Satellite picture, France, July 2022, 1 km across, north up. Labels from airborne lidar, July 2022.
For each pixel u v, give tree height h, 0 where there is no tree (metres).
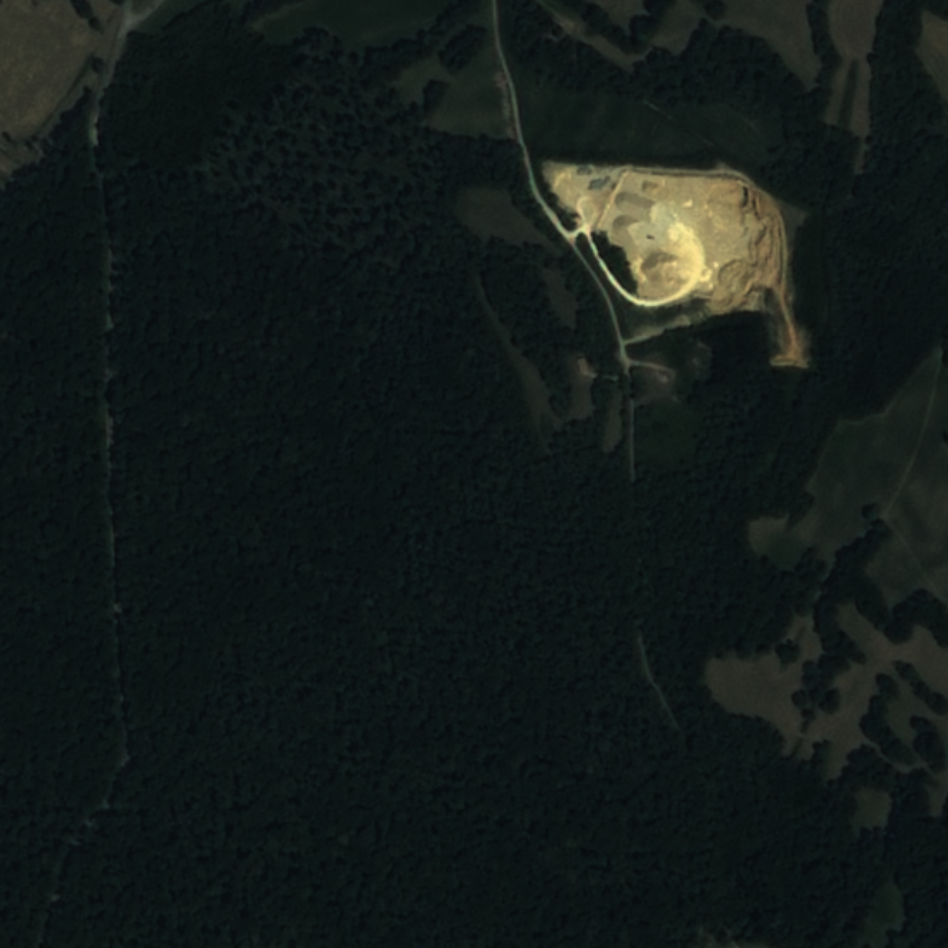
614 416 0
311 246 19
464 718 24
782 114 7
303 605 19
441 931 19
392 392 21
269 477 22
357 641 18
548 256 10
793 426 13
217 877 20
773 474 13
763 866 21
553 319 11
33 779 16
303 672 20
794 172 7
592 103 0
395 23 0
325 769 27
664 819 21
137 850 23
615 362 6
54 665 23
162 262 20
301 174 19
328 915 26
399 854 23
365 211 20
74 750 21
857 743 0
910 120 11
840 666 18
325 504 22
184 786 21
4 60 0
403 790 22
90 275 22
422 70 0
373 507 23
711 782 17
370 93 20
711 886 21
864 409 11
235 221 23
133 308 18
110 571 14
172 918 20
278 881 24
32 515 20
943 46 0
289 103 22
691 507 13
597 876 23
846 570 22
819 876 20
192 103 8
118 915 18
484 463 19
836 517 0
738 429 13
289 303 22
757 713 0
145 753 20
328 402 18
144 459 20
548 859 22
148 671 24
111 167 19
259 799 23
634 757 21
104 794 17
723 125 0
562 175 0
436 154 21
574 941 22
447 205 17
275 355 21
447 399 22
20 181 18
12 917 20
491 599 19
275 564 21
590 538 13
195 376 23
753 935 14
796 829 21
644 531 13
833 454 0
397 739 23
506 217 0
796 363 0
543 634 20
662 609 16
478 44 16
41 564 20
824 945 26
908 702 0
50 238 24
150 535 16
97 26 10
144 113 8
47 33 0
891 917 0
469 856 21
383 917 21
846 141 11
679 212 0
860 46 0
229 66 6
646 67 16
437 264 18
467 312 17
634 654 14
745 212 0
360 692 16
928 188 10
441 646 22
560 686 19
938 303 12
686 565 11
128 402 20
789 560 0
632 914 23
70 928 20
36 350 22
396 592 20
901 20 14
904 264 11
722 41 14
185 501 18
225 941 18
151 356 21
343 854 22
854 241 20
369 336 21
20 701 22
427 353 18
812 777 18
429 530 17
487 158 17
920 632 0
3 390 21
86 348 18
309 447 23
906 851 18
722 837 20
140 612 15
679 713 15
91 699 19
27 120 0
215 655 14
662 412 0
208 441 20
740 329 13
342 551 24
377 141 20
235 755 23
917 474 0
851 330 11
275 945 21
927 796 18
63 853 16
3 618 21
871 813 0
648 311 0
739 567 17
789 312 0
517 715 19
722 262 0
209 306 21
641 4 0
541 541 14
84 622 17
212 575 20
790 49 0
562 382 10
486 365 19
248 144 22
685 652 18
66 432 22
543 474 14
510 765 22
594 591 16
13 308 21
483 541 21
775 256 0
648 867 19
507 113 0
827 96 13
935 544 0
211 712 20
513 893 21
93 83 0
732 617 19
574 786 19
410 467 21
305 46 19
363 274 24
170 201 22
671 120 0
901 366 16
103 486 18
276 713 18
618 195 0
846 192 15
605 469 13
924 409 0
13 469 24
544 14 12
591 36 0
